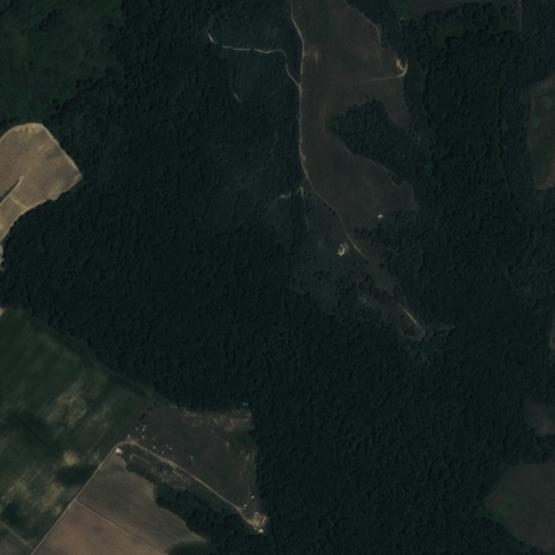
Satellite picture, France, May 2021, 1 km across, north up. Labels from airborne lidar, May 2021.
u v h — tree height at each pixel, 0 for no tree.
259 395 18
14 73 9
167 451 0
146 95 22
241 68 6
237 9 14
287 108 8
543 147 0
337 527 11
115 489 0
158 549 0
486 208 26
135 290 20
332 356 21
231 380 19
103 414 0
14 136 0
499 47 28
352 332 17
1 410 0
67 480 0
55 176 0
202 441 0
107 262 20
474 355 21
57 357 0
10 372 0
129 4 18
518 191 9
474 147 28
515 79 11
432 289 12
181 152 23
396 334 12
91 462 0
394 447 15
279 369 21
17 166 0
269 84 8
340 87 0
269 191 6
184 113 17
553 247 8
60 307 20
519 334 17
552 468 0
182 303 22
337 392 13
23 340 0
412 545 25
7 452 0
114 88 21
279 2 10
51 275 22
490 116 26
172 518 0
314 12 0
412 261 9
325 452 21
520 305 14
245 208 8
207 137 18
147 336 9
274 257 21
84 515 0
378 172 0
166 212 18
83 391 0
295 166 8
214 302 21
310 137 0
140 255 21
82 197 18
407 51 11
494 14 18
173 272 21
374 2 9
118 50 13
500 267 19
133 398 0
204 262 20
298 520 21
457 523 25
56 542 0
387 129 6
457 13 18
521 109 12
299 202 10
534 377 21
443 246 23
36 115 8
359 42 0
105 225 16
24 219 19
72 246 16
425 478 22
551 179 0
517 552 11
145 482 0
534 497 0
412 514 24
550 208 12
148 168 17
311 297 15
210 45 13
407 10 0
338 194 0
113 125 16
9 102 9
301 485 20
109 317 18
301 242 11
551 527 0
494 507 0
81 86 14
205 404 16
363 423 10
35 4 6
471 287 25
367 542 23
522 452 17
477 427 14
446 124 27
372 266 0
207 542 0
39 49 7
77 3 6
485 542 22
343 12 0
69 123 7
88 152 14
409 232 7
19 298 22
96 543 0
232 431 0
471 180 26
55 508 0
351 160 0
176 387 23
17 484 0
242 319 18
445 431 14
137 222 17
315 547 24
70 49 8
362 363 19
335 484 23
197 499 12
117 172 16
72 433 0
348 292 13
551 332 7
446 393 17
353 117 7
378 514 20
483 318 19
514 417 17
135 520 0
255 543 18
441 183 9
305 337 7
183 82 15
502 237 28
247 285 23
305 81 0
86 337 18
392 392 20
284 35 7
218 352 19
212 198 10
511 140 9
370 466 20
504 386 20
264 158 7
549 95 0
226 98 13
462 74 26
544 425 0
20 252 19
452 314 16
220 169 8
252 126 14
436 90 25
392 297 7
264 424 23
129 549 0
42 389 0
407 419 19
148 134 19
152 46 23
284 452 18
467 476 19
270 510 14
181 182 21
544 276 9
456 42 26
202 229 19
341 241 0
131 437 0
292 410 21
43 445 0
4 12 15
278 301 22
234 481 0
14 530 0
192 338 19
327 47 0
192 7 13
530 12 9
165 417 0
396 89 0
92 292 21
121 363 19
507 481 0
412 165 11
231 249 23
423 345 13
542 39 14
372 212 0
